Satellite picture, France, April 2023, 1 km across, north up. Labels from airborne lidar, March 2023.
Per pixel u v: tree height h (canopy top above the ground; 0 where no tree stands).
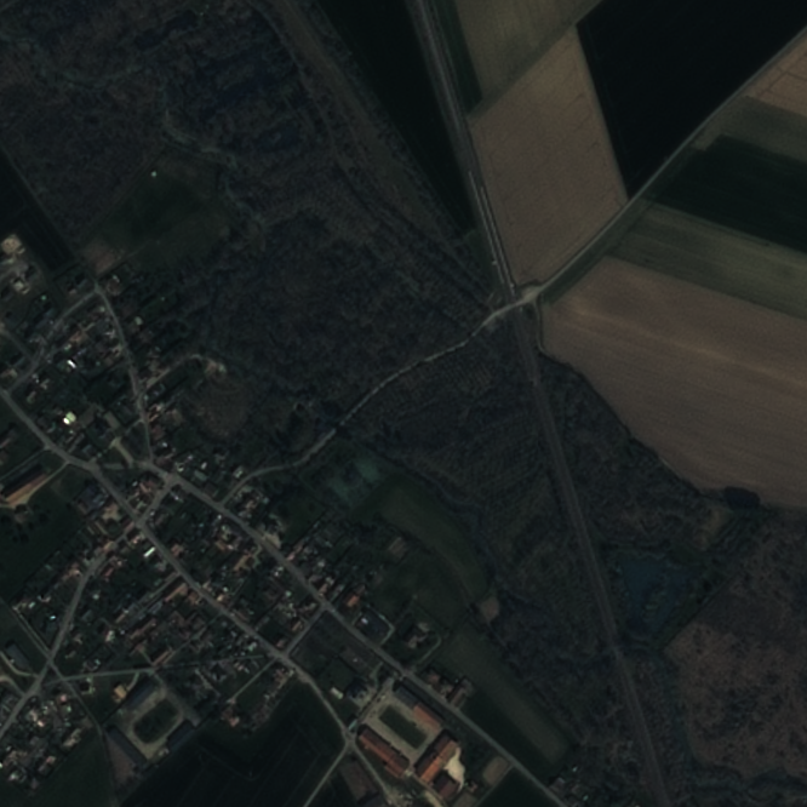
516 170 0
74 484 0
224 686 0
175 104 21
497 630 11
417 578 0
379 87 0
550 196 0
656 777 0
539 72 0
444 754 0
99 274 0
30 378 0
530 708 0
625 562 0
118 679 0
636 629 20
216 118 22
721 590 6
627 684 0
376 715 0
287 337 21
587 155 0
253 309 11
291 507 0
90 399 7
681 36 0
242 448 9
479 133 0
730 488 0
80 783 0
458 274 13
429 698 0
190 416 27
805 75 0
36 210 0
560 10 0
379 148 0
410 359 21
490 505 21
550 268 0
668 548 9
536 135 0
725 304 0
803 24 0
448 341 12
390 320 9
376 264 24
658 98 0
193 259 0
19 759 0
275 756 0
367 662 0
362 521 0
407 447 15
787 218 0
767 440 0
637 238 0
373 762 0
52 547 0
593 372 0
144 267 0
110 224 0
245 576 6
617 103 0
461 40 0
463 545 0
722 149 0
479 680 0
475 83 0
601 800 12
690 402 0
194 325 11
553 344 0
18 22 14
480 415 7
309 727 0
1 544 0
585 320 0
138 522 0
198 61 9
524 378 8
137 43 24
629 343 0
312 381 6
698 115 0
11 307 0
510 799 0
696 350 0
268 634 0
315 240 19
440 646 0
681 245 0
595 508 8
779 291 0
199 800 0
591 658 12
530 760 0
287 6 0
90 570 0
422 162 0
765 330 0
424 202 12
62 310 0
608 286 0
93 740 0
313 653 0
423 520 0
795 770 0
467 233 0
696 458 0
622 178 0
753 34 0
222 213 0
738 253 0
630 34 0
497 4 0
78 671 0
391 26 0
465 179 0
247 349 16
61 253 0
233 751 0
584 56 0
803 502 0
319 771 0
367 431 19
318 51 0
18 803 0
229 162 5
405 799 0
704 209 0
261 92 16
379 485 0
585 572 7
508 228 0
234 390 9
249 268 23
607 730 35
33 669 0
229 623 0
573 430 17
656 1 0
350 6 0
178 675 8
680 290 0
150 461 0
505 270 0
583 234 0
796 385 0
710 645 0
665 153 0
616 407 0
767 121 0
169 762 0
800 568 0
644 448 7
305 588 0
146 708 0
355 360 22
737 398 0
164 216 0
